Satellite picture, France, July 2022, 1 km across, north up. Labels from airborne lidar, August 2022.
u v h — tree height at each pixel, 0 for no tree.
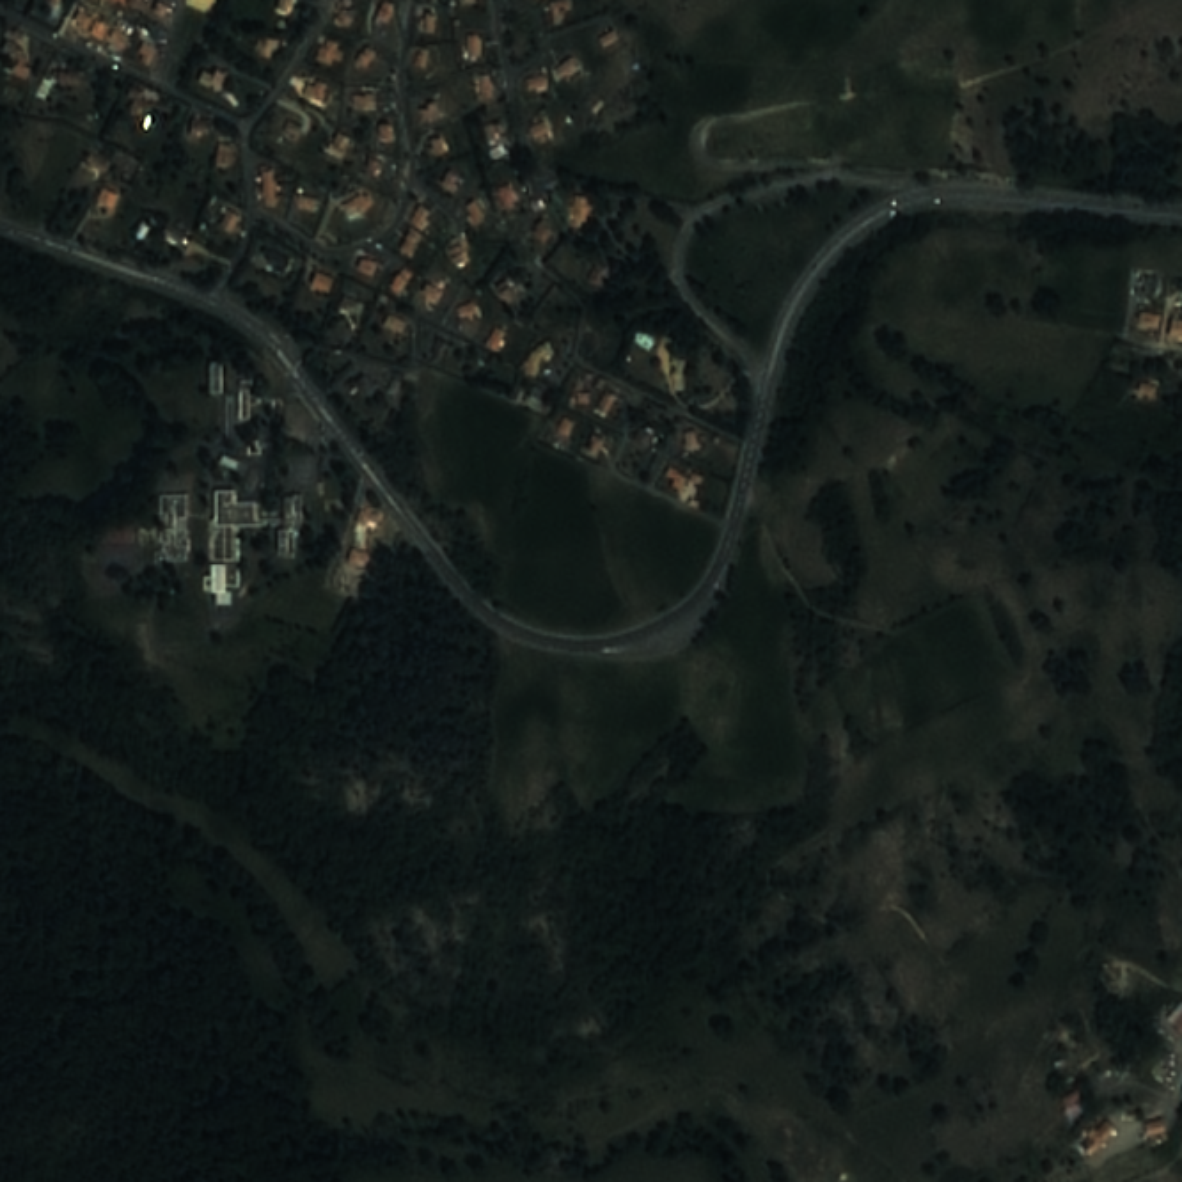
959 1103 0
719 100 0
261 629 0
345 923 17
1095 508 11
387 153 0
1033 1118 0
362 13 0
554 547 0
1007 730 0
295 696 20
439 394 0
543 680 0
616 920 12
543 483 0
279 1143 24
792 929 14
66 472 0
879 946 0
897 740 0
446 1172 15
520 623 0
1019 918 0
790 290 0
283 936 14
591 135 6
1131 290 0
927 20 0
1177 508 9
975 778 0
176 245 8
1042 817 19
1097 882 0
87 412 0
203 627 0
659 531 0
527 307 10
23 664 11
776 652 0
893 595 0
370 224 0
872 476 6
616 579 0
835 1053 13
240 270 7
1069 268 0
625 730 0
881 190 0
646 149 0
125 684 15
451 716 10
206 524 0
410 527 0
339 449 8
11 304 14
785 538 0
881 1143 0
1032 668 0
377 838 11
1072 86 10
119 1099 16
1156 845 10
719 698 0
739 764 0
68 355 19
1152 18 0
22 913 17
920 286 0
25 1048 19
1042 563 0
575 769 0
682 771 8
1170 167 10
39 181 0
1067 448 6
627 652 0
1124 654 0
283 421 8
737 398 6
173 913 17
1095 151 15
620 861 18
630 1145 16
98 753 15
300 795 10
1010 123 14
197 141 0
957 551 0
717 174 0
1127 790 10
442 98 0
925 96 0
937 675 0
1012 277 0
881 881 0
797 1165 0
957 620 0
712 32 0
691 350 5
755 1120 0
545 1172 11
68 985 28
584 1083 0
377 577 16
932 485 0
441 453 0
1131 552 0
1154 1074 0
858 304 16
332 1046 13
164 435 23
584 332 0
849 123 0
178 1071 22
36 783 26
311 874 25
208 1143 22
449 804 8
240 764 16
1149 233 10
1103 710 0
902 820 0
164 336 6
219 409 0
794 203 11
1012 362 0
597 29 0
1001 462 15
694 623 0
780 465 14
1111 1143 0
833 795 0
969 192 0
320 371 8
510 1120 16
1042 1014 0
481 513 0
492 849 10
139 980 22
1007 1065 0
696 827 12
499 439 0
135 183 6
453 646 17
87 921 28
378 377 0
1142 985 0
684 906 19
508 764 0
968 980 0
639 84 0
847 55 0
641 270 12
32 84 0
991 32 0
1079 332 0
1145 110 7
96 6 0
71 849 26
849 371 10
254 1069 24
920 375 20
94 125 0
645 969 19
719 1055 0
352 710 15
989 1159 0
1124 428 0
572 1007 7
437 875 11
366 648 15
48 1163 11
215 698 0
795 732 0
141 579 7
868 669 0
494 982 14
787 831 12
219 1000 25
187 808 0
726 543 0
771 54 0
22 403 14
